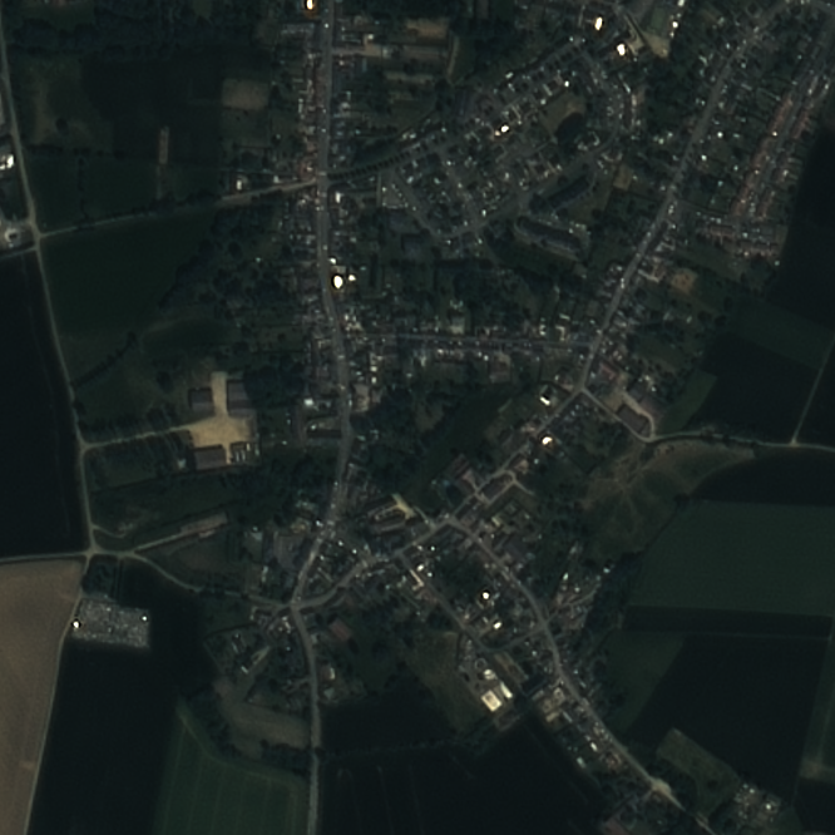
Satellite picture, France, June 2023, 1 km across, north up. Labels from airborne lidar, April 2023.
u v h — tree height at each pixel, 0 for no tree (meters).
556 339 0
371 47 0
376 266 12
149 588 0
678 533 0
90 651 0
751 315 0
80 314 0
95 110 0
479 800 0
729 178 7
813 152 0
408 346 8
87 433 12
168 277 0
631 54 6
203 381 0
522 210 0
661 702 0
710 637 0
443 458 0
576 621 0
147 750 0
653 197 6
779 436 0
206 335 0
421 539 0
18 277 0
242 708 0
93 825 0
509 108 0
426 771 0
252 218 10
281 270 6
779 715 0
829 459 0
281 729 0
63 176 0
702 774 0
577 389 0
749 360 0
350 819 0
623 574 15
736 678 0
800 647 0
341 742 0
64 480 0
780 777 0
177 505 0
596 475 0
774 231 0
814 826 0
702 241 9
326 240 0
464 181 0
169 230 0
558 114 0
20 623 0
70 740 0
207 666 0
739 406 0
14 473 0
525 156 0
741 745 0
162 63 0
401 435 6
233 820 0
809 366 0
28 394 0
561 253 0
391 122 0
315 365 0
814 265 0
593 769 0
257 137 0
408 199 0
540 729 0
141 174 0
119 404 0
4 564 0
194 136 0
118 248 0
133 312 0
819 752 0
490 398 0
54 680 0
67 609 0
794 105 0
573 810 0
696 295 0
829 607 0
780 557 0
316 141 0
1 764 0
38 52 15
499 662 0
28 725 0
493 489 0
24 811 0
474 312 18
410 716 0
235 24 7
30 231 0
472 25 14
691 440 0
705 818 0
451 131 6
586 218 0
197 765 0
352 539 0
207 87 0
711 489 0
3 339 0
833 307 0
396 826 0
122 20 21
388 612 16
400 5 7
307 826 0
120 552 0
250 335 10
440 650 0
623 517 0
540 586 11
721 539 0
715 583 0
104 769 0
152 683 0
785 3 0
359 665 0
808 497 0
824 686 0
